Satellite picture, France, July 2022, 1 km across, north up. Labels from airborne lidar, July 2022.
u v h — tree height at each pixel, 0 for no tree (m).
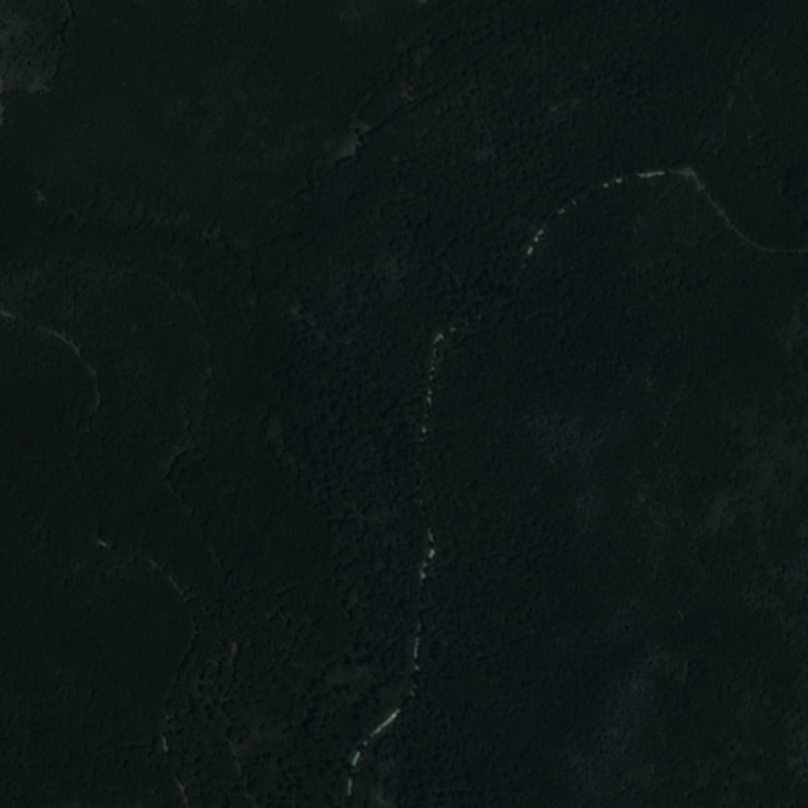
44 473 24
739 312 19
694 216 16
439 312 12
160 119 15
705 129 9
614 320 9
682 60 16
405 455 18
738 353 18
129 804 13
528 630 16
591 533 8
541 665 11
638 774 10
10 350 14
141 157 16
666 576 10
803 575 9
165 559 16
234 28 13
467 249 23
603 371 12
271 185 15
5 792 20
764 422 9
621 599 8
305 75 14
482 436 8
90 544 20
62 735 19
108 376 15
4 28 10
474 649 16
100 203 18
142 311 16
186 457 23
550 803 12
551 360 13
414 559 10
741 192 16
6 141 16
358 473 14
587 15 18
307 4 13
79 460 24
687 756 14
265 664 27
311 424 10
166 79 17
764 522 8
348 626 23
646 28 12
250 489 10
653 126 11
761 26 13
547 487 8
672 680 13
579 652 13
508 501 10
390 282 12
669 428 12
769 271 19
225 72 15
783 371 14
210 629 25
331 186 23
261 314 19
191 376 18
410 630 11
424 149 14
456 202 9
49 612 29
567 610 13
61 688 15
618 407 9
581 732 11
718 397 13
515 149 12
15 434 21
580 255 9
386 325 11
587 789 12
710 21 13
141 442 22
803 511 10
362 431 12
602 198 9
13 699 16
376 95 14
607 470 6
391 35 13
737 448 12
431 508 14
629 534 8
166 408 15
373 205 14
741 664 16
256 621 22
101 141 19
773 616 14
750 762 10
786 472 9
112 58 15
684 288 17
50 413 19
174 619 18
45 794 17
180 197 18
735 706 11
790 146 19
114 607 12
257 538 18
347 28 11
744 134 15
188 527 6
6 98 15
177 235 15
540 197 9
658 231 13
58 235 30
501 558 13
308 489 10
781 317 13
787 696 14
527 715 16
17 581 21
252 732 20
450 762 17
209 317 8
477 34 24
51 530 19
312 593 16
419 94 11
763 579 13
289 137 16
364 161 21
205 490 11
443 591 13
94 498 17
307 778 8
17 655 16
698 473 6
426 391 12
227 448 25
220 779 27
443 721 13
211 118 19
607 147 9
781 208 22
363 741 13
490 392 12
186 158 15
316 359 15
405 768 11
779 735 12
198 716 31
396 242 9
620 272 8
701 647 14
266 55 16
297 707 19
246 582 25
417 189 17
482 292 18
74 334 18
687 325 15
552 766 13
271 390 19
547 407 8
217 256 13
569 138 13
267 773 31
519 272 13
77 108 16
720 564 16
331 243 26
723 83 11
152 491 19
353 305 8
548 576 13
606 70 12
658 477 11
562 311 12
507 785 18
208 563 13
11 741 24
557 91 10
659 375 9
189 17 19
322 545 11
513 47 19
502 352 14
